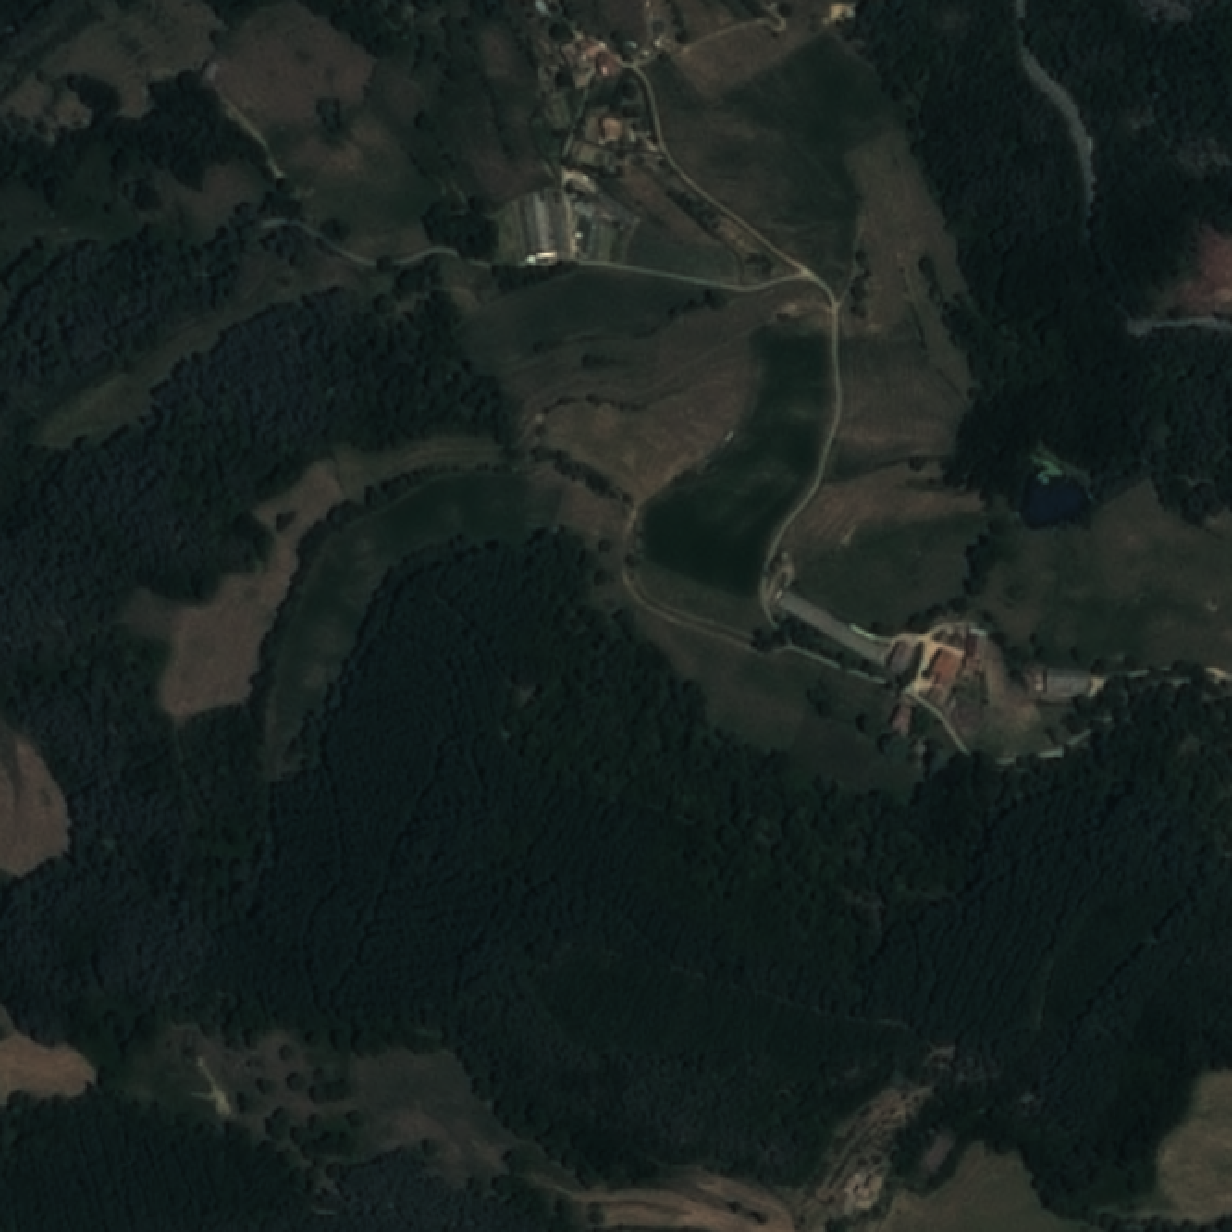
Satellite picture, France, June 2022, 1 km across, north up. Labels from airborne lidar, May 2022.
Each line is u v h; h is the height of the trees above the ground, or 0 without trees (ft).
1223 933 52
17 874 0
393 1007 61
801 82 0
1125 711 41
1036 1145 70
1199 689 46
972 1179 0
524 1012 51
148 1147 60
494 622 62
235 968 77
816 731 0
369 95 25
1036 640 31
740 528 0
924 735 64
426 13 36
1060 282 96
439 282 26
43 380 38
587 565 67
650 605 0
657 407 0
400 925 66
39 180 41
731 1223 0
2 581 66
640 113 33
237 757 35
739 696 0
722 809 61
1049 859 76
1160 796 28
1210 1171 0
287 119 0
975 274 57
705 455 0
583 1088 31
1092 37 80
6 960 56
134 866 55
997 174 47
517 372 0
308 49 0
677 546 0
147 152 40
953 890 41
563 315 0
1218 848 42
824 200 0
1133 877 64
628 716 65
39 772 0
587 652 50
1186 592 0
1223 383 65
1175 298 0
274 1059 0
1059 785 32
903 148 0
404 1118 0
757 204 0
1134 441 60
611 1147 43
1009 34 36
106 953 49
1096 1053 103
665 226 0
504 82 0
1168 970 83
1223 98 56
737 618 0
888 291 0
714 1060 37
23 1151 53
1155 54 41
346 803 67
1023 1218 0
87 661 29
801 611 0
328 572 0
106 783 56
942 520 0
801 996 86
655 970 23
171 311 34
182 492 62
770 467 0
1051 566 0
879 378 0
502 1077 46
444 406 62
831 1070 39
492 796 75
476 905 76
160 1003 33
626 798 57
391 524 0
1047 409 50
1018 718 0
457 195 0
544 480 0
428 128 37
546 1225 39
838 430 0
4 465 56
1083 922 47
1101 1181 64
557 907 78
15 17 59
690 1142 72
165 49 0
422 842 85
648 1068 53
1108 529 0
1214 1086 0
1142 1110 81
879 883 60
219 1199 52
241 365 51
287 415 48
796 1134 69
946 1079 42
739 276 0
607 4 0
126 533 30
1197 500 33
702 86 0
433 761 66
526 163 0
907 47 50
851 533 0
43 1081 0
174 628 0
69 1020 28
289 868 82
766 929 73
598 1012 20
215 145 66
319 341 53
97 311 46
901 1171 27
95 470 51
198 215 0
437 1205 54
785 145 0
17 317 47
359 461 0
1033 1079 27
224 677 0
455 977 65
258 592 0
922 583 0
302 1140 44
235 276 66
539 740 58
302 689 0
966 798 83
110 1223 46
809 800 59
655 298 0
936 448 0
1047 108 56
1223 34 72
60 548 75
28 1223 54
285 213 44
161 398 62
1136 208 74
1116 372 97
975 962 75
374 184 0
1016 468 47
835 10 0
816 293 0
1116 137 45
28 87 0
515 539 0
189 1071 0
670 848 63
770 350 0
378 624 51
